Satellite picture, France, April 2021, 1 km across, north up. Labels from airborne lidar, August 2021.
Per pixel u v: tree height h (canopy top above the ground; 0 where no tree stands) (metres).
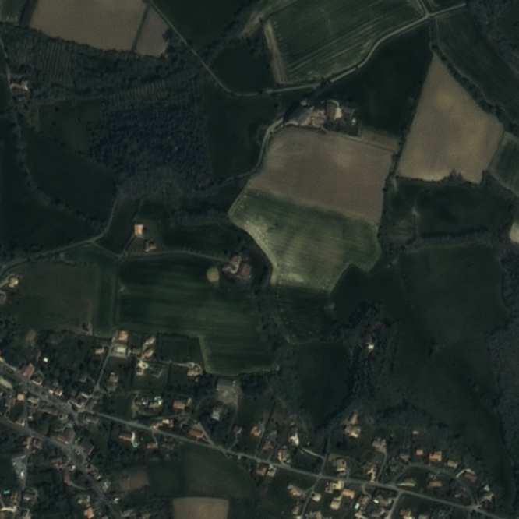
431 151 0
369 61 0
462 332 0
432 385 0
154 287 0
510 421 26
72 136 0
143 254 0
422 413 10
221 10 0
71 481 8
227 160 0
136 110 24
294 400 24
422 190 0
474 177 0
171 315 0
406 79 0
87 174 0
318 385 0
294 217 0
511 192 8
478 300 0
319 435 13
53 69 31
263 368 0
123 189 17
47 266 0
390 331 27
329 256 0
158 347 8
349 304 0
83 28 0
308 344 0
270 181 0
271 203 0
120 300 0
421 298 0
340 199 0
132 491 0
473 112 0
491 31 19
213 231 0
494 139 0
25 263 0
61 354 12
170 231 0
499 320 0
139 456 12
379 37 0
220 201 0
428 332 0
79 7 0
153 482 0
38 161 0
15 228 0
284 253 0
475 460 19
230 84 0
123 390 12
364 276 0
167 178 23
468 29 0
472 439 0
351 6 0
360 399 22
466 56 0
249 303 0
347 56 0
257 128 0
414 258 0
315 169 0
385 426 9
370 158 0
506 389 15
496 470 0
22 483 0
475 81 0
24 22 15
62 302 0
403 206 0
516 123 0
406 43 0
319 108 0
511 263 15
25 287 0
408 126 10
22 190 0
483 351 0
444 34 0
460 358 0
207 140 7
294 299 0
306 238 0
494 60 0
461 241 16
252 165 0
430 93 0
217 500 0
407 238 0
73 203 0
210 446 0
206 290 0
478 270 0
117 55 18
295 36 0
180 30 0
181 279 0
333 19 0
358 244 0
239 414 0
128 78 19
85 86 20
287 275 0
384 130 0
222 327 0
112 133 7
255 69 0
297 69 0
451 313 0
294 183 0
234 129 0
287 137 0
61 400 0
